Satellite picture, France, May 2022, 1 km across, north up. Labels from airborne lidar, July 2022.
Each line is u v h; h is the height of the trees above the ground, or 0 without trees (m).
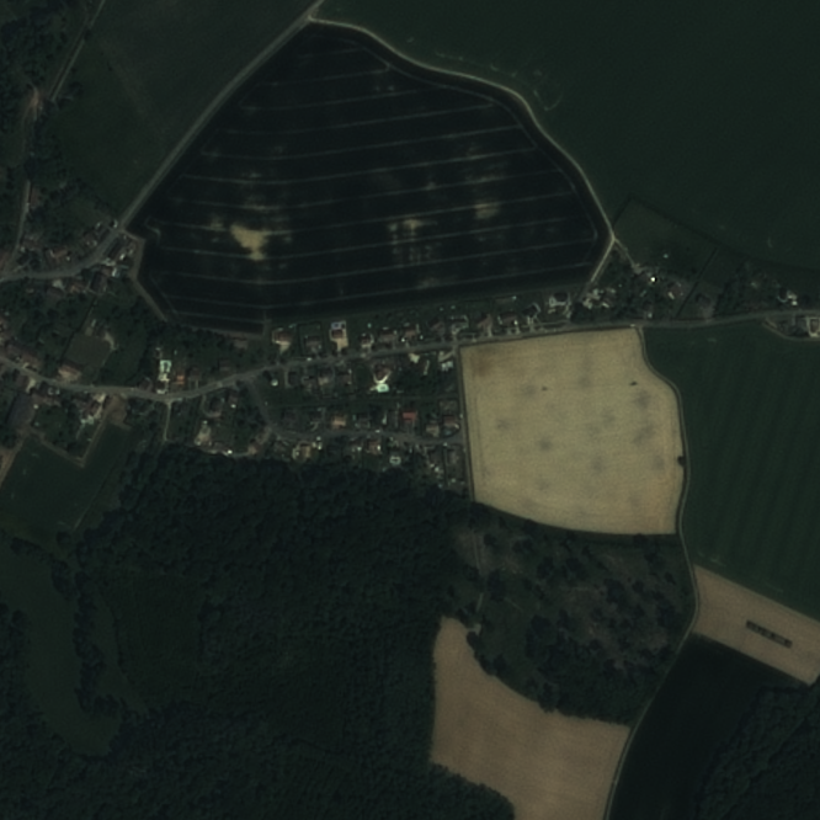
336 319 0
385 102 0
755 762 28
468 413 0
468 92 0
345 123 0
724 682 0
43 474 0
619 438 0
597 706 24
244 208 0
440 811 23
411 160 0
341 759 16
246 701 6
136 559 26
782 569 0
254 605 26
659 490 0
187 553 12
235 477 25
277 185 0
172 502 24
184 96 0
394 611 13
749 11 0
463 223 0
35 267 15
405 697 30
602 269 0
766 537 0
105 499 0
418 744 25
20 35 24
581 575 28
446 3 0
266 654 8
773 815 23
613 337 0
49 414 8
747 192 0
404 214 0
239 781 27
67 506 0
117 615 10
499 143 0
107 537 23
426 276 0
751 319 0
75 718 0
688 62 0
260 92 0
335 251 0
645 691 19
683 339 0
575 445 0
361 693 14
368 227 0
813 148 0
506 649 0
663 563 28
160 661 5
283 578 20
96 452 0
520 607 0
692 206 0
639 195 0
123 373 0
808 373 0
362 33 0
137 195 0
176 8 0
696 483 0
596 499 0
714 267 0
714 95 0
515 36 0
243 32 0
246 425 15
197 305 0
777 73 0
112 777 22
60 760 18
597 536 0
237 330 0
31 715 21
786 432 0
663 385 0
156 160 0
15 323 0
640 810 0
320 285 0
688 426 0
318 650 7
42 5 0
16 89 14
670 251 0
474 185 0
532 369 0
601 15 0
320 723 8
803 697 22
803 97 0
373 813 11
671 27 0
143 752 32
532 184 0
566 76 0
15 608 0
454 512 26
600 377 0
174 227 0
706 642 0
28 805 19
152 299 0
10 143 0
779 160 0
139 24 0
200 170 0
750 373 0
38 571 0
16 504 0
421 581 30
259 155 0
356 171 0
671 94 0
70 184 8
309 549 28
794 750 24
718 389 0
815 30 0
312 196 0
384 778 15
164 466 21
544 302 0
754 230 0
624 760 0
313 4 0
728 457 0
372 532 22
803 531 0
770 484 0
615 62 0
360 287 0
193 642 6
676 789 0
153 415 9
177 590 6
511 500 0
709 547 0
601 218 0
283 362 6
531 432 0
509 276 0
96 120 0
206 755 22
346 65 0
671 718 0
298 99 0
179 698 6
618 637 21
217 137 0
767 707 16
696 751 0
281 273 0
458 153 0
